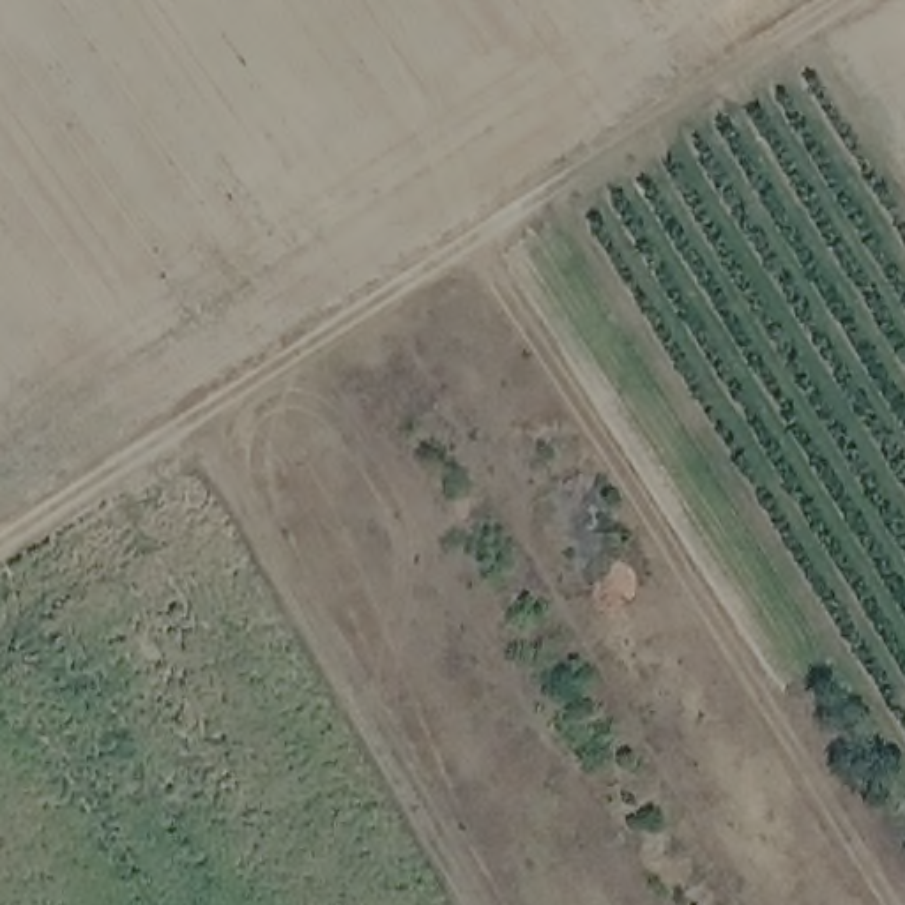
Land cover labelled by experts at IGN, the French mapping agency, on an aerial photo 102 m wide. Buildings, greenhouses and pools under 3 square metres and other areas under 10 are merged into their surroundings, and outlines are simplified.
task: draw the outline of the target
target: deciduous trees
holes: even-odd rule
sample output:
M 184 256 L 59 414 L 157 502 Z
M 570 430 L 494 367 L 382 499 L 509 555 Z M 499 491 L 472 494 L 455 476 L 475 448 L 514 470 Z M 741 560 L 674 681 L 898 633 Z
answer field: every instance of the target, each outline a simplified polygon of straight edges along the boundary
M 859 661 L 877 679 L 887 711 L 905 728 L 905 191 L 887 177 L 887 166 L 877 159 L 877 152 L 870 152 L 859 141 L 856 127 L 841 117 L 820 78 L 813 67 L 788 67 L 785 74 L 771 67 L 753 85 L 749 103 L 725 103 L 725 110 L 703 124 L 689 117 L 679 120 L 668 156 L 654 159 L 640 177 L 626 177 L 612 187 L 612 198 L 587 212 L 594 237 L 608 251 L 622 283 L 633 290 L 636 308 L 650 318 L 675 371 L 686 378 L 693 399 L 714 421 L 728 453 L 742 449 L 742 456 L 735 456 L 732 463 L 753 481 L 753 488 L 767 488 L 774 495 L 764 506 L 771 523 L 802 566 L 817 597 L 827 605 L 841 636 L 856 647 Z
M 834 679 L 827 679 L 813 689 L 813 714 L 838 735 L 827 746 L 827 757 L 831 774 L 845 788 L 863 795 L 866 806 L 887 802 L 887 774 L 901 767 L 901 749 L 880 739 L 877 718 L 870 714 L 863 693 L 848 693 Z

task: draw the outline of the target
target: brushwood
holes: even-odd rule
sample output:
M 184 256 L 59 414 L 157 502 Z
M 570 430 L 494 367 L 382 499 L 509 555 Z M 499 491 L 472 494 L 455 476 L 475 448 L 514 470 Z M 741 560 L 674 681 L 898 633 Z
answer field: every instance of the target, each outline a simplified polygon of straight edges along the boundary
M 520 672 L 534 675 L 548 696 L 562 703 L 562 711 L 555 714 L 555 735 L 580 757 L 583 771 L 597 771 L 601 764 L 622 764 L 629 774 L 640 771 L 640 760 L 629 757 L 633 746 L 622 746 L 622 732 L 612 721 L 605 721 L 605 696 L 597 693 L 594 668 L 580 654 L 562 658 L 551 643 L 562 640 L 569 629 L 562 622 L 548 622 L 541 597 L 516 597 L 506 608 L 516 640 L 506 643 L 506 658 L 520 665 Z
M 442 495 L 460 498 L 470 477 L 453 453 L 442 453 L 435 463 L 442 467 Z
M 481 523 L 470 530 L 445 530 L 442 548 L 474 555 L 481 576 L 491 580 L 509 566 L 513 537 L 502 523 Z

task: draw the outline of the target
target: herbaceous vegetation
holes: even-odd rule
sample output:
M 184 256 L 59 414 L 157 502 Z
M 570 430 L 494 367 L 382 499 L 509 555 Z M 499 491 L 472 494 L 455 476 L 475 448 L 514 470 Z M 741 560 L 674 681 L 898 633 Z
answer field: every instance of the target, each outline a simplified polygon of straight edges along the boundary
M 813 714 L 813 689 L 827 679 L 834 679 L 848 693 L 863 693 L 870 714 L 877 718 L 880 739 L 901 749 L 901 767 L 887 774 L 887 802 L 866 806 L 863 795 L 845 788 L 838 795 L 845 813 L 856 820 L 863 841 L 870 841 L 870 848 L 880 856 L 880 866 L 891 877 L 891 884 L 905 894 L 905 728 L 887 711 L 877 679 L 859 661 L 856 647 L 841 636 L 827 605 L 817 597 L 802 566 L 771 523 L 764 506 L 774 495 L 767 488 L 753 488 L 753 481 L 732 463 L 735 456 L 742 456 L 742 449 L 728 453 L 714 421 L 693 399 L 686 378 L 675 371 L 650 318 L 636 308 L 633 290 L 622 283 L 608 251 L 594 237 L 587 212 L 612 198 L 612 187 L 594 187 L 594 194 L 573 191 L 566 205 L 544 205 L 537 216 L 530 216 L 537 230 L 530 262 L 541 272 L 555 315 L 569 322 L 587 357 L 615 385 L 629 428 L 654 453 L 658 467 L 672 474 L 693 530 L 700 534 L 703 548 L 714 551 L 721 573 L 739 587 L 760 633 L 767 636 L 778 672 L 788 679 L 785 689 L 785 714 L 802 732 L 806 749 L 827 757 L 827 746 L 838 735 Z

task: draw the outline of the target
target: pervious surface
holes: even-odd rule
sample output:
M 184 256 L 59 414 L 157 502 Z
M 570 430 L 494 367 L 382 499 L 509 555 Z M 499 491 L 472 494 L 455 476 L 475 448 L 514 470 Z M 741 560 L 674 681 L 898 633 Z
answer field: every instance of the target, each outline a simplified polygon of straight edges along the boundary
M 771 675 L 774 686 L 785 689 L 788 679 L 778 672 L 767 636 L 760 633 L 739 587 L 721 573 L 714 551 L 703 548 L 700 534 L 693 530 L 672 474 L 658 467 L 654 453 L 629 428 L 615 385 L 587 357 L 569 322 L 555 315 L 541 272 L 530 262 L 537 230 L 530 216 L 537 216 L 544 205 L 566 205 L 573 191 L 594 194 L 594 187 L 612 187 L 626 177 L 640 177 L 654 159 L 668 156 L 679 120 L 689 117 L 703 124 L 725 110 L 725 103 L 749 103 L 753 85 L 771 67 L 785 74 L 788 67 L 813 67 L 820 78 L 834 71 L 831 39 L 852 25 L 877 18 L 894 0 L 788 0 L 764 21 L 732 35 L 732 42 L 725 42 L 721 49 L 700 57 L 693 67 L 672 67 L 672 74 L 643 78 L 643 99 L 622 110 L 615 124 L 601 127 L 594 138 L 573 145 L 569 152 L 555 156 L 523 180 L 498 187 L 495 202 L 484 202 L 477 216 L 438 233 L 438 240 L 428 240 L 414 251 L 403 251 L 396 262 L 385 262 L 378 276 L 354 286 L 343 297 L 343 304 L 304 315 L 258 354 L 247 354 L 237 364 L 223 368 L 216 378 L 194 385 L 170 410 L 145 417 L 127 431 L 127 449 L 113 453 L 95 470 L 64 484 L 53 498 L 25 509 L 21 516 L 0 527 L 0 559 L 57 530 L 95 498 L 145 495 L 156 484 L 145 463 L 166 456 L 191 431 L 205 428 L 223 414 L 237 424 L 240 417 L 255 414 L 255 403 L 262 396 L 297 392 L 297 375 L 315 354 L 329 350 L 336 339 L 343 339 L 368 318 L 396 308 L 414 290 L 463 265 L 481 279 L 484 293 L 506 315 L 516 339 L 530 329 L 534 318 L 541 318 L 551 329 L 573 378 L 590 396 L 597 417 L 622 445 L 626 460 L 636 467 L 658 513 L 672 523 L 682 548 L 700 566 L 718 601 L 728 608 L 739 636 L 749 643 L 760 668 Z

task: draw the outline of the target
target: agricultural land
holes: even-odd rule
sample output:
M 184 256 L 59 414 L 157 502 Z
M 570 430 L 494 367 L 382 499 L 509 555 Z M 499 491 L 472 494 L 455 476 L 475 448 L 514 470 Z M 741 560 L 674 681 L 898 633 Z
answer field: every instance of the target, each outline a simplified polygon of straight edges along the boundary
M 442 467 L 435 463 L 442 453 L 453 453 L 470 477 L 460 498 L 442 495 Z M 516 339 L 506 315 L 484 293 L 481 279 L 463 265 L 414 290 L 396 308 L 368 318 L 343 339 L 336 339 L 329 350 L 315 354 L 297 375 L 297 392 L 262 396 L 255 403 L 255 414 L 240 417 L 237 424 L 223 414 L 205 428 L 191 431 L 166 456 L 145 463 L 156 484 L 145 495 L 95 498 L 57 530 L 0 559 L 0 905 L 905 905 L 905 894 L 891 884 L 891 877 L 880 866 L 880 856 L 870 848 L 870 841 L 863 841 L 856 820 L 845 813 L 838 795 L 845 788 L 831 774 L 827 757 L 806 749 L 802 732 L 785 714 L 785 689 L 774 686 L 771 675 L 760 668 L 749 643 L 739 636 L 728 608 L 718 601 L 700 566 L 682 548 L 672 523 L 658 513 L 636 467 L 626 460 L 622 445 L 597 417 L 590 396 L 573 378 L 551 329 L 541 318 L 534 318 L 530 329 Z M 445 530 L 470 530 L 481 523 L 502 523 L 513 537 L 509 566 L 491 580 L 481 576 L 474 555 L 442 548 Z M 548 622 L 562 622 L 569 629 L 562 640 L 551 643 L 562 658 L 580 654 L 594 668 L 597 693 L 605 696 L 605 721 L 612 721 L 622 732 L 622 746 L 633 746 L 629 757 L 640 760 L 640 771 L 629 774 L 622 764 L 601 764 L 597 771 L 583 771 L 580 757 L 555 735 L 555 714 L 562 711 L 562 703 L 548 696 L 534 675 L 520 672 L 520 665 L 506 658 L 506 643 L 516 640 L 506 608 L 516 597 L 541 597 Z
M 788 0 L 0 0 L 0 527 L 21 516 L 25 509 L 53 498 L 64 484 L 95 470 L 113 453 L 127 449 L 127 431 L 145 417 L 170 410 L 194 385 L 216 378 L 223 368 L 237 364 L 247 354 L 258 354 L 304 315 L 343 304 L 343 297 L 354 286 L 378 276 L 385 262 L 396 262 L 403 251 L 414 251 L 428 240 L 438 240 L 438 233 L 477 216 L 484 202 L 495 202 L 498 187 L 523 180 L 555 156 L 569 152 L 573 145 L 594 138 L 601 127 L 615 124 L 622 110 L 643 99 L 643 78 L 672 74 L 672 67 L 693 67 L 700 57 L 721 49 L 725 42 L 732 42 L 732 35 L 764 21 Z
M 887 166 L 887 177 L 905 191 L 905 0 L 894 0 L 877 18 L 852 25 L 831 39 L 834 71 L 820 78 L 841 117 L 856 127 L 859 141 L 870 152 L 877 152 L 877 159 Z

